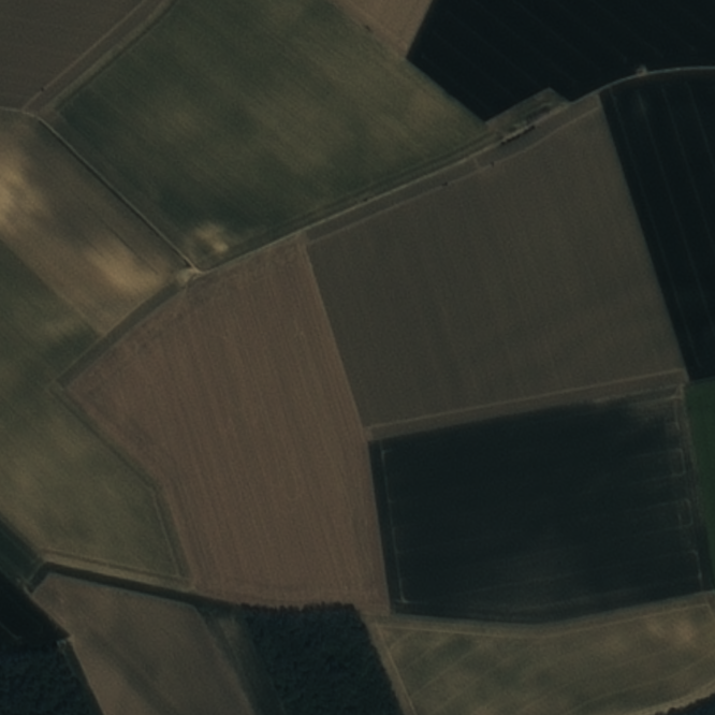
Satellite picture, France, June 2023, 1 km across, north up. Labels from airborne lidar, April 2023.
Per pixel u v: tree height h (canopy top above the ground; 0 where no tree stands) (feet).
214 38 0
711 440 0
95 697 0
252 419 0
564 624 0
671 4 0
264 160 0
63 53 0
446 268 0
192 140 0
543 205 0
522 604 0
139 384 0
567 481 0
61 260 0
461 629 0
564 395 0
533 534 0
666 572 0
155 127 0
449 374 0
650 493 0
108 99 0
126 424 0
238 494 0
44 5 0
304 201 0
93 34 0
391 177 0
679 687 0
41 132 0
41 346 0
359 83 0
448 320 0
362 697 73
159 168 0
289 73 0
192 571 0
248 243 0
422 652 0
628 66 0
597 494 0
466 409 0
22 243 0
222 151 0
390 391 0
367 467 0
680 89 0
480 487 0
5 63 0
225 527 0
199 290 0
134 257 0
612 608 0
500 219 0
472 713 0
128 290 0
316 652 78
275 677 44
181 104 0
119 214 0
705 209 0
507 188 0
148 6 0
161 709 0
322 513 0
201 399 0
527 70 0
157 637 0
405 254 0
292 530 0
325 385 0
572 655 0
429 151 0
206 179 0
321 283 0
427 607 0
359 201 0
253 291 0
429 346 0
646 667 0
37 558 0
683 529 0
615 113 0
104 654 0
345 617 63
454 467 0
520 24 0
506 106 0
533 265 0
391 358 0
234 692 0
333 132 0
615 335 0
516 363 0
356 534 0
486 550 0
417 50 0
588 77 0
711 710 53
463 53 0
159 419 0
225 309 0
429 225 0
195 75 0
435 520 0
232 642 0
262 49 0
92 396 0
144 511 0
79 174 0
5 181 0
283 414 0
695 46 0
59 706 75
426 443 0
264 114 0
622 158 0
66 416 0
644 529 0
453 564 0
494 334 0
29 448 0
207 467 0
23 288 0
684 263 0
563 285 0
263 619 59
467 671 0
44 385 0
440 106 0
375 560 0
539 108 0
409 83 0
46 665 42
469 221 0
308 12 0
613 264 0
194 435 0
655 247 0
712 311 0
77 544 0
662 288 0
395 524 0
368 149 0
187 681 0
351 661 81
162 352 0
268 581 0
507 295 0
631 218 0
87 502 0
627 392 0
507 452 0
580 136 0
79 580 0
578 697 0
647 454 0
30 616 0
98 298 0
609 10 0
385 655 0
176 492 0
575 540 0
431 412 0
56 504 0
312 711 72
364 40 0
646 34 0
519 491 0
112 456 0
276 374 0
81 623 0
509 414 0
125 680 0
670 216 0
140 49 0
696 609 0
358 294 0
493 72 0
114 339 0
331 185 0
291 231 0
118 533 0
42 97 0
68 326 0
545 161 0
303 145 0
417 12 0
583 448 0
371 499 0
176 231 0
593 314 0
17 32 0
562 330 0
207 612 0
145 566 0
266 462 0
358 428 0
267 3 0
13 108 0
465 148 0
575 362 0
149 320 0
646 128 0
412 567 0
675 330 0
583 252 0
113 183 0
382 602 0
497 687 0
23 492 0
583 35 0
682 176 0
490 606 0
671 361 0
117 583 0
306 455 0
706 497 0
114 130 0
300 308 0
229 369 0
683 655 0
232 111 0
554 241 0
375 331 0
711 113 0
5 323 0
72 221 0
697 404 0
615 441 0
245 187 0
